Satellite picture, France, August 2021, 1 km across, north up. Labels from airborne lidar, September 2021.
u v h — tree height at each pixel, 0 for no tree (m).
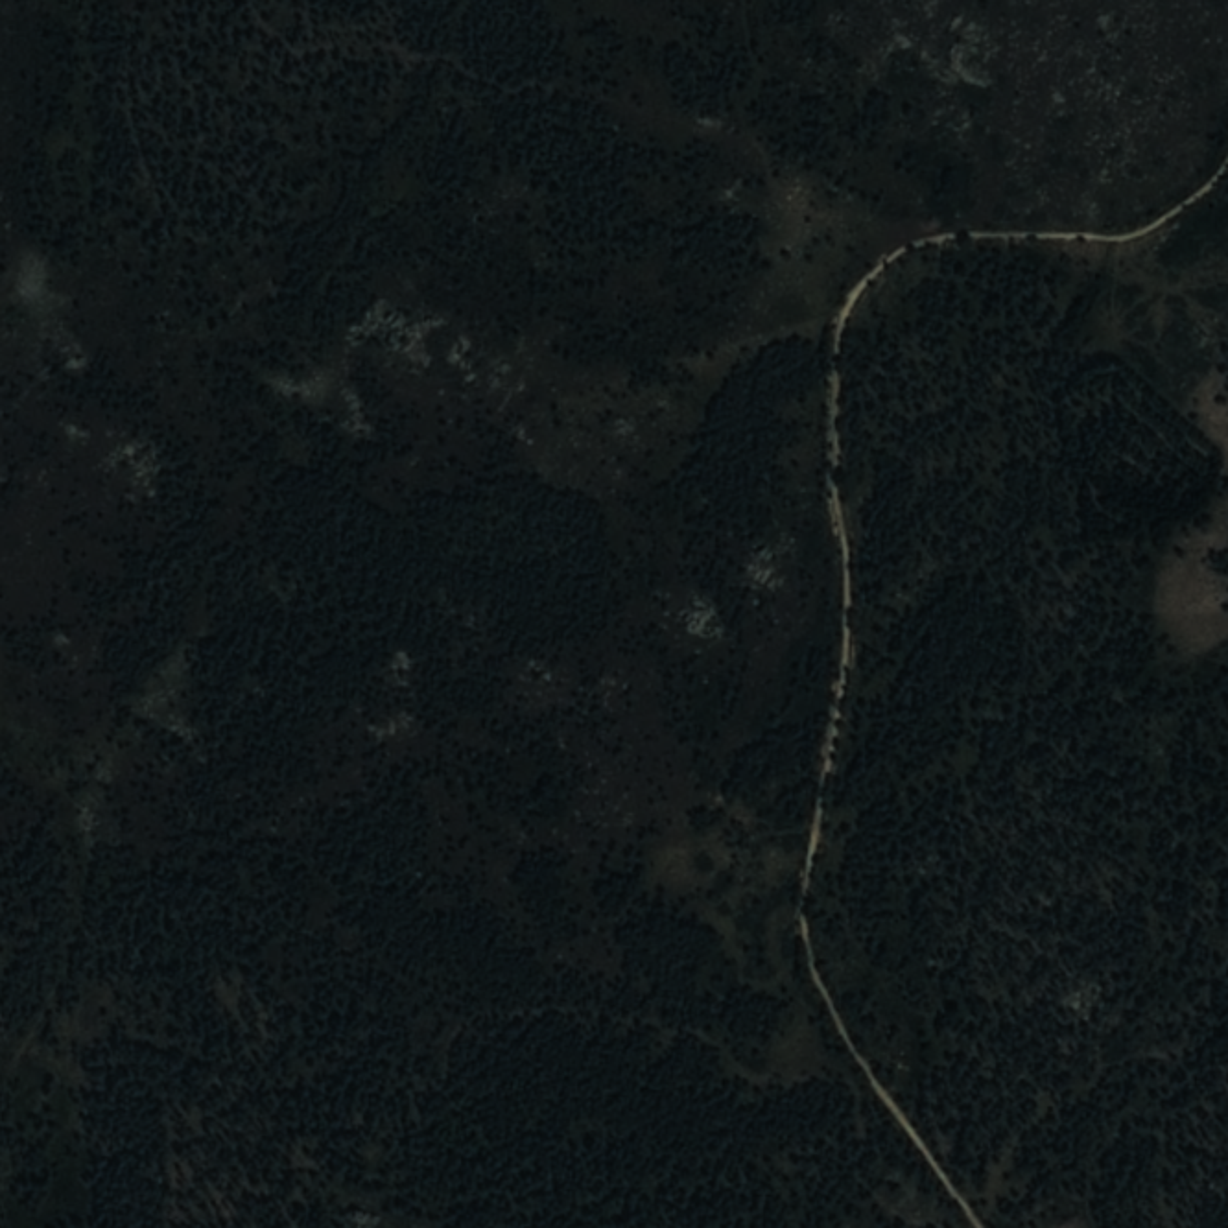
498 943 12
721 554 6
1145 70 0
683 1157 14
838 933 12
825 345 9
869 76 0
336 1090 12
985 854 10
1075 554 11
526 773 0
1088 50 0
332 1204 10
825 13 0
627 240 13
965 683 17
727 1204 17
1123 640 13
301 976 11
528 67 8
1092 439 19
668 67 11
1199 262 0
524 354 0
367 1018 10
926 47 0
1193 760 8
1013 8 0
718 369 0
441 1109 16
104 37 8
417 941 16
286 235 10
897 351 10
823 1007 8
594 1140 15
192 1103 9
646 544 0
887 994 0
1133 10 0
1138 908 15
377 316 0
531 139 11
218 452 6
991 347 6
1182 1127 15
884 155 0
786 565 0
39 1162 15
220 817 9
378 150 8
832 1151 12
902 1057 0
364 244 9
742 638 7
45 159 8
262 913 14
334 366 0
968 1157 12
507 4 8
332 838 9
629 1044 11
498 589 7
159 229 13
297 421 8
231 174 11
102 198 15
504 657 7
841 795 8
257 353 8
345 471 11
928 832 10
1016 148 0
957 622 14
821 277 0
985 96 0
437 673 7
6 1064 0
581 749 0
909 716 14
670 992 10
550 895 14
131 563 10
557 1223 14
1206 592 0
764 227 9
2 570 0
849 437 8
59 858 14
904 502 8
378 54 11
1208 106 0
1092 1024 10
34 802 6
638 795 0
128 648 12
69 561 9
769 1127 14
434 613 7
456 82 8
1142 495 17
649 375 8
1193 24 0
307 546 8
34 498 0
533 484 7
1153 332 0
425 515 12
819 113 10
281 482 11
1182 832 18
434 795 0
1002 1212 10
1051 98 0
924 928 11
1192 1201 18
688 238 10
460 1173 15
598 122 7
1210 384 0
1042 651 7
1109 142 0
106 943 11
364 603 11
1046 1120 6
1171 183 0
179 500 11
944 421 15
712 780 0
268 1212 8
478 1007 7
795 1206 8
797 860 0
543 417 0
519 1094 16
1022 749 15
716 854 0
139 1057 19
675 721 6
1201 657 0
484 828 8
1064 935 17
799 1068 0
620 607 7
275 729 9
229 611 11
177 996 12
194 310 8
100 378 9
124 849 11
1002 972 18
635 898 9
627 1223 16
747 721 0
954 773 8
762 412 12
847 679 7
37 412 0
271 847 12
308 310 7
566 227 10
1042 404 10
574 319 6
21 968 15
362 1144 16
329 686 10
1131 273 0
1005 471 10
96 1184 10
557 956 0
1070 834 17
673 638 0
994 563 10
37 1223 0
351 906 11
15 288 0
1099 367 20
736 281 8
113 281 0
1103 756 16
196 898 17
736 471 8
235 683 13
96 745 0
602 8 0
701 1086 8
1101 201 0
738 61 10
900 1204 0
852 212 0
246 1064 18
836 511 0
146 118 11
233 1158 16
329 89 11
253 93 12
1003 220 0
